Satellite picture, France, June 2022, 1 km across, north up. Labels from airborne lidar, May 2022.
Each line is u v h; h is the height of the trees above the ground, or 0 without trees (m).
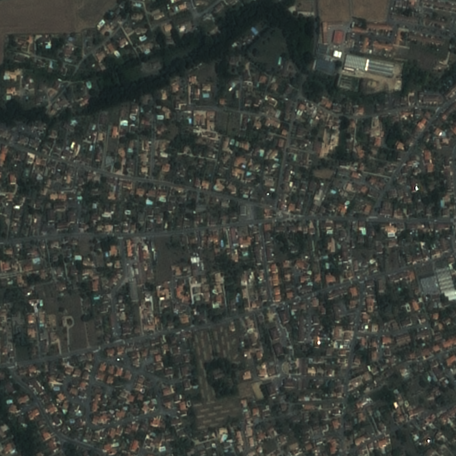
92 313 13
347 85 0
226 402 0
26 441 12
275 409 8
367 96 7
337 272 16
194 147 7
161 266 0
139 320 0
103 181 11
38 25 0
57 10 0
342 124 11
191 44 9
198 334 0
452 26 0
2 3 0
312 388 7
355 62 0
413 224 0
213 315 7
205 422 0
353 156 12
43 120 13
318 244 7
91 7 0
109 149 0
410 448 0
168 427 12
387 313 7
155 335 0
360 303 0
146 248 0
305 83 7
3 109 19
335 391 6
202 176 7
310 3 0
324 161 8
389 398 7
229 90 0
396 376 11
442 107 0
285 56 13
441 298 11
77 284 11
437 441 6
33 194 14
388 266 0
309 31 12
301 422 10
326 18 0
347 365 0
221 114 0
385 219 0
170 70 24
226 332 0
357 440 0
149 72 0
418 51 0
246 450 0
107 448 0
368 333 0
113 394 8
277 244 7
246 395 0
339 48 0
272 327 0
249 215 0
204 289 0
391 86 0
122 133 0
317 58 0
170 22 8
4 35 0
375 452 15
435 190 8
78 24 0
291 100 14
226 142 0
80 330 0
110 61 8
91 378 0
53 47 10
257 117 0
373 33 7
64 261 7
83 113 11
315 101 10
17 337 19
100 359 0
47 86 0
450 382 7
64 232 8
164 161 0
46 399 0
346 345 0
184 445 10
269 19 20
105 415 0
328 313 9
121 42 0
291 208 0
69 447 10
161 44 16
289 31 18
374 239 9
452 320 8
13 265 0
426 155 0
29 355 6
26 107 0
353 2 0
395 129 9
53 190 0
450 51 17
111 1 0
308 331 0
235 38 20
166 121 9
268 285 0
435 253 0
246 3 12
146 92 15
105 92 16
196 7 0
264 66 8
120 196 0
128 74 0
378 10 0
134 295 0
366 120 7
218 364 13
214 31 0
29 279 11
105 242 9
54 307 0
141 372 0
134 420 0
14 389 11
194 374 18
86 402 0
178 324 6
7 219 0
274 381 0
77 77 7
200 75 0
